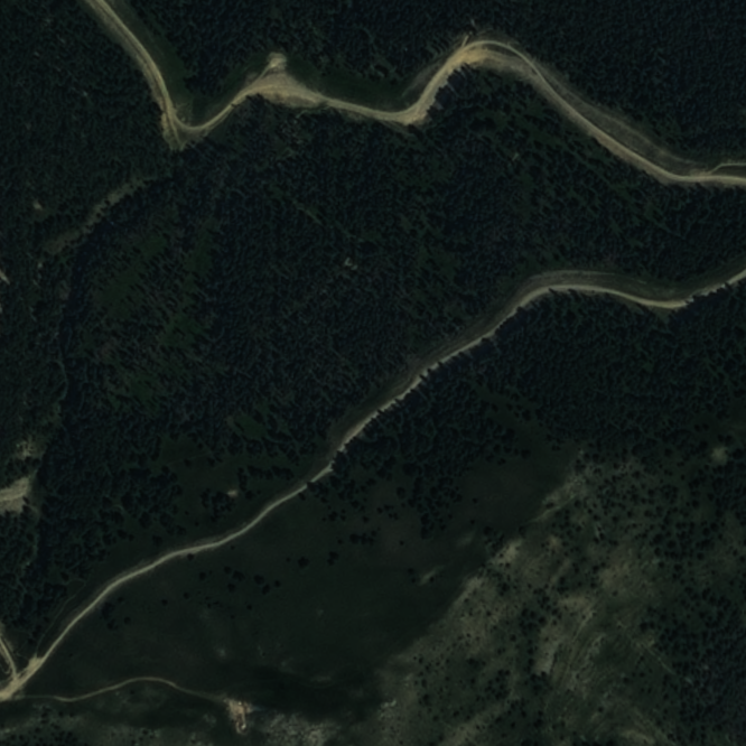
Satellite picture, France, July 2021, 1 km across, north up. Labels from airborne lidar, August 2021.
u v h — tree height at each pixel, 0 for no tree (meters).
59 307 22
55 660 0
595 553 0
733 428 0
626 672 0
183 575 0
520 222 20
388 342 24
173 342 0
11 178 14
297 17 23
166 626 0
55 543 26
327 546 0
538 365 27
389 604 0
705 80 22
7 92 23
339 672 0
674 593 0
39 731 8
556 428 17
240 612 0
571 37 15
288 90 0
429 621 0
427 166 14
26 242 26
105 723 0
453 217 21
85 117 33
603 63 7
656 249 23
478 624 0
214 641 0
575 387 28
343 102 0
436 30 18
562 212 16
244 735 0
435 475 17
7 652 0
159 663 0
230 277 27
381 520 0
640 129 0
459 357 0
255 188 17
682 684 10
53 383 29
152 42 0
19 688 0
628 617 0
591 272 0
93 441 30
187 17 26
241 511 0
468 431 18
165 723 0
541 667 0
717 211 14
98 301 14
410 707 0
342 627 0
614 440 16
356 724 0
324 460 0
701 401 14
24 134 30
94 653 0
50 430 19
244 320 28
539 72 0
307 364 21
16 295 31
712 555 0
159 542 15
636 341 26
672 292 0
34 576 18
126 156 22
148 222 23
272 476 17
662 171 0
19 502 0
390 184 19
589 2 24
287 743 0
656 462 17
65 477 25
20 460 8
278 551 0
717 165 0
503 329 0
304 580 0
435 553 0
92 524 23
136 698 0
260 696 0
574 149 17
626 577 0
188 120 0
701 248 19
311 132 32
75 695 0
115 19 0
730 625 11
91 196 24
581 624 0
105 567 0
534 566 0
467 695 0
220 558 0
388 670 0
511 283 0
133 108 27
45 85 32
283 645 0
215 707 0
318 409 25
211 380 24
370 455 24
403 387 0
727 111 25
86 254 16
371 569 0
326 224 29
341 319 20
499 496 0
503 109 18
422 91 0
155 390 27
